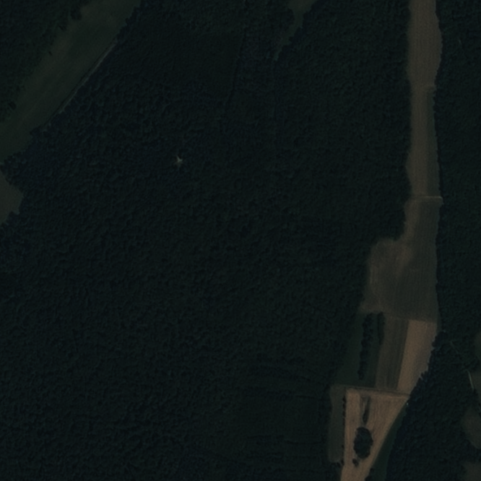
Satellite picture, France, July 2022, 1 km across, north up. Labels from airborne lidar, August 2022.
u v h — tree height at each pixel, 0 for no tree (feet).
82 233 63
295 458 36
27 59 83
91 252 68
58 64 0
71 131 60
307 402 40
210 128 56
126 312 68
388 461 0
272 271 57
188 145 46
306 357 40
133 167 74
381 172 69
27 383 59
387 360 0
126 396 76
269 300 52
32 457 76
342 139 63
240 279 51
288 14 79
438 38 0
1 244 46
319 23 60
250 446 44
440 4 71
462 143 53
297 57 60
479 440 0
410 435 69
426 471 59
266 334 59
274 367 69
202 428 60
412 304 0
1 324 80
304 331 62
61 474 72
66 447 69
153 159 70
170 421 67
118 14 0
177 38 47
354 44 58
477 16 48
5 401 66
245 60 63
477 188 53
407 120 75
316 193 63
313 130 63
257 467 43
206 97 61
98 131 88
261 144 72
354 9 50
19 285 36
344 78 56
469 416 0
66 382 71
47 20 77
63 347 73
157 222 63
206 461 58
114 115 96
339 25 47
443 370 54
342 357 61
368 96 60
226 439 34
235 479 61
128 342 58
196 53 38
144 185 66
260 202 72
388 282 0
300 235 54
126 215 86
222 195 82
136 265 64
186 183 51
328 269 64
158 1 49
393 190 66
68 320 90
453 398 49
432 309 0
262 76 72
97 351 61
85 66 0
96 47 0
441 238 49
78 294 75
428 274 0
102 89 81
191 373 60
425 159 0
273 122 91
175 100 67
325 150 59
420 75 0
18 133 0
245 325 46
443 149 60
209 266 74
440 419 58
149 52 44
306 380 42
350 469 0
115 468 64
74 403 69
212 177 71
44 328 50
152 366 70
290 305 54
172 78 51
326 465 41
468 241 52
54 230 72
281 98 79
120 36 39
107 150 66
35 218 74
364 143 58
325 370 33
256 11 52
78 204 58
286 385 37
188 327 75
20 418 75
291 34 0
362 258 61
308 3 0
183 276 60
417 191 0
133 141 60
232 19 53
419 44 0
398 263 0
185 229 51
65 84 0
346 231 71
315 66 50
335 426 0
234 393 49
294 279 52
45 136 56
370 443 51
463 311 57
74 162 79
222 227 76
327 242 61
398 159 76
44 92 0
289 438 35
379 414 0
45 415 66
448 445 67
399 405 0
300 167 77
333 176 68
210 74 31
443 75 64
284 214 60
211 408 63
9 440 63
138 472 68
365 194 69
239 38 32
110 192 58
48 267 84
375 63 78
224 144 53
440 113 69
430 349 0
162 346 63
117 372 63
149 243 69
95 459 73
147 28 57
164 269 61
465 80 51
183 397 74
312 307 60
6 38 71
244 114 54
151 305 52
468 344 64
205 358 76
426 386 58
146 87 71
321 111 53
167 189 52
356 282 60
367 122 57
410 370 0
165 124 65
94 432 69
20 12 86
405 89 67
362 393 0
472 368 65
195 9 54
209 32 28
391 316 0
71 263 70
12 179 67
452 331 49
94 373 69
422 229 0
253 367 70
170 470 65
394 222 67
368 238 69
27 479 61
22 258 83
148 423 72
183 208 46
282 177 78
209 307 68
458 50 59
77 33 0
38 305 66
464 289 52
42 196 77
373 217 77
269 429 33
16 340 62
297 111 52
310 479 39
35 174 77
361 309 0
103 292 71
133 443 71
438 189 0
